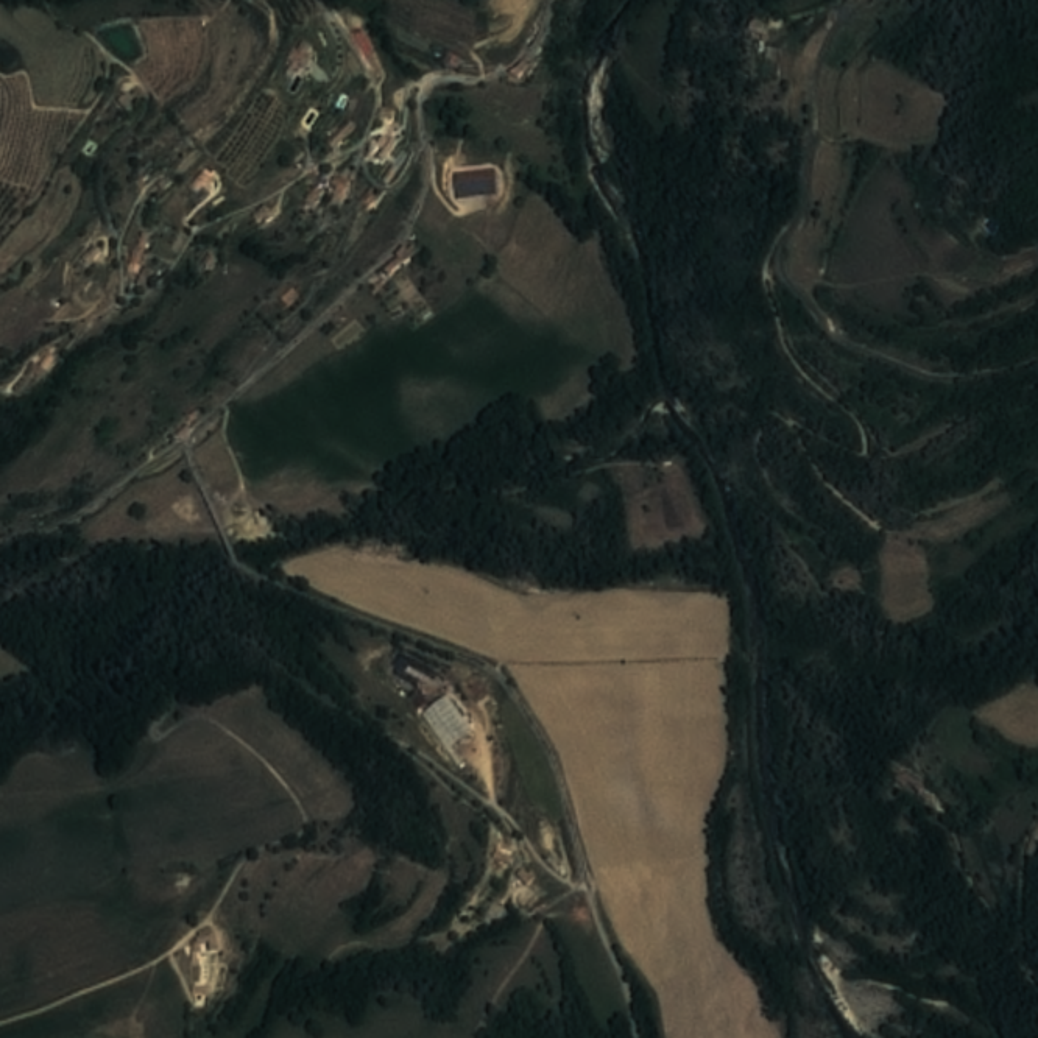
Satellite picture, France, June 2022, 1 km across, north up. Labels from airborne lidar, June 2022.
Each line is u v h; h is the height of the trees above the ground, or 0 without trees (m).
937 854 18
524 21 0
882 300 0
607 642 0
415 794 10
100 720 30
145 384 0
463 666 0
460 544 28
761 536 9
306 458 0
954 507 0
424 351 0
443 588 0
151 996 0
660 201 14
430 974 13
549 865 0
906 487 7
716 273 8
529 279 0
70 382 14
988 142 12
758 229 7
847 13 0
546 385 0
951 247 0
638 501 0
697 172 9
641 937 0
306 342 0
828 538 12
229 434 0
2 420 16
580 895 0
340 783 0
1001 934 14
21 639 20
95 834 0
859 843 11
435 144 8
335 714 9
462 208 0
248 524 0
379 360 0
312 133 6
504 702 0
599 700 0
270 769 0
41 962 0
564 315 0
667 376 11
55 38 0
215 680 15
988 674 11
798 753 16
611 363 17
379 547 0
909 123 0
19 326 0
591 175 0
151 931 0
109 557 22
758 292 10
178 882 0
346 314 0
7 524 7
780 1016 27
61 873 0
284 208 0
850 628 15
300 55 0
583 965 0
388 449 0
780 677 11
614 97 11
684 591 0
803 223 0
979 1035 13
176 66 0
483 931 15
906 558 0
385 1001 12
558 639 0
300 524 17
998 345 8
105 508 0
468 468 27
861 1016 0
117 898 0
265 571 16
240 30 0
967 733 0
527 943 0
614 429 11
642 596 0
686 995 0
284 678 14
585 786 0
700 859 0
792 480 8
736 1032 0
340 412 0
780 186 14
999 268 0
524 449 13
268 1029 11
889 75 0
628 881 0
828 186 0
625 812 0
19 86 0
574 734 0
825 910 9
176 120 9
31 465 0
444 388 0
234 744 0
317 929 0
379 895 13
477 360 0
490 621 0
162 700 20
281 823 0
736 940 12
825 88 0
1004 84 11
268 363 0
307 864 0
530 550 22
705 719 0
